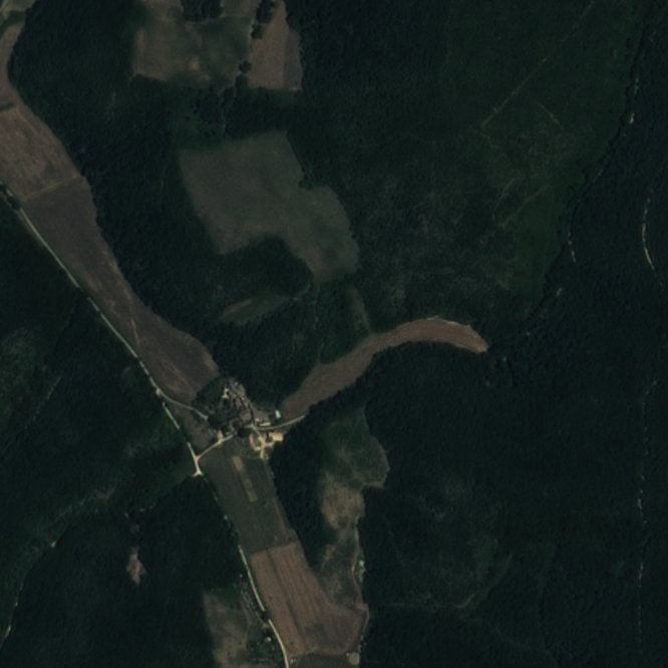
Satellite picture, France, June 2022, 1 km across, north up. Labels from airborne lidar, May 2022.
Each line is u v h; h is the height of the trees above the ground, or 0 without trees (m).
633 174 11
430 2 12
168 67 0
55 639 8
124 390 6
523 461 15
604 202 14
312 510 13
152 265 15
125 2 19
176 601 7
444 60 10
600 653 18
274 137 0
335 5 12
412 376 11
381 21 11
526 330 10
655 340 10
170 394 0
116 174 16
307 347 8
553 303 10
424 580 6
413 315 14
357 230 9
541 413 10
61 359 15
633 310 18
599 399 6
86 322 16
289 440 9
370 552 7
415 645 8
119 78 6
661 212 9
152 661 9
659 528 11
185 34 0
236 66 0
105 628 10
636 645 13
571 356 12
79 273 0
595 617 15
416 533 10
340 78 8
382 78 10
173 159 5
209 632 11
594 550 6
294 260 6
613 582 18
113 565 10
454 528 8
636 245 9
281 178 0
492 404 11
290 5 14
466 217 8
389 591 8
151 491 8
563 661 20
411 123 6
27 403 7
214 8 12
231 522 6
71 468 7
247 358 9
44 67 9
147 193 11
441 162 6
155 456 14
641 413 10
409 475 12
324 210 0
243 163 0
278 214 0
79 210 0
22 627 15
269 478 0
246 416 0
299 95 7
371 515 10
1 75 0
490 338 8
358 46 14
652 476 14
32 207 0
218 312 6
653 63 10
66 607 7
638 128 12
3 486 8
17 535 9
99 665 10
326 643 0
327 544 8
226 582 14
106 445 12
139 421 15
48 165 0
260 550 0
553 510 9
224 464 0
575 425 8
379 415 18
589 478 12
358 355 0
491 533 6
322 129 7
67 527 6
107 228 21
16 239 10
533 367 16
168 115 13
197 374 0
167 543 8
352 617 0
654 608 8
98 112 8
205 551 8
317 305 9
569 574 16
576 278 10
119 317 0
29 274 11
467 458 9
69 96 9
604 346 9
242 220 0
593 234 7
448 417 9
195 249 10
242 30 0
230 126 12
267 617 14
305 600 0
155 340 0
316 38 10
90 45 10
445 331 0
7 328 9
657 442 13
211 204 0
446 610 9
